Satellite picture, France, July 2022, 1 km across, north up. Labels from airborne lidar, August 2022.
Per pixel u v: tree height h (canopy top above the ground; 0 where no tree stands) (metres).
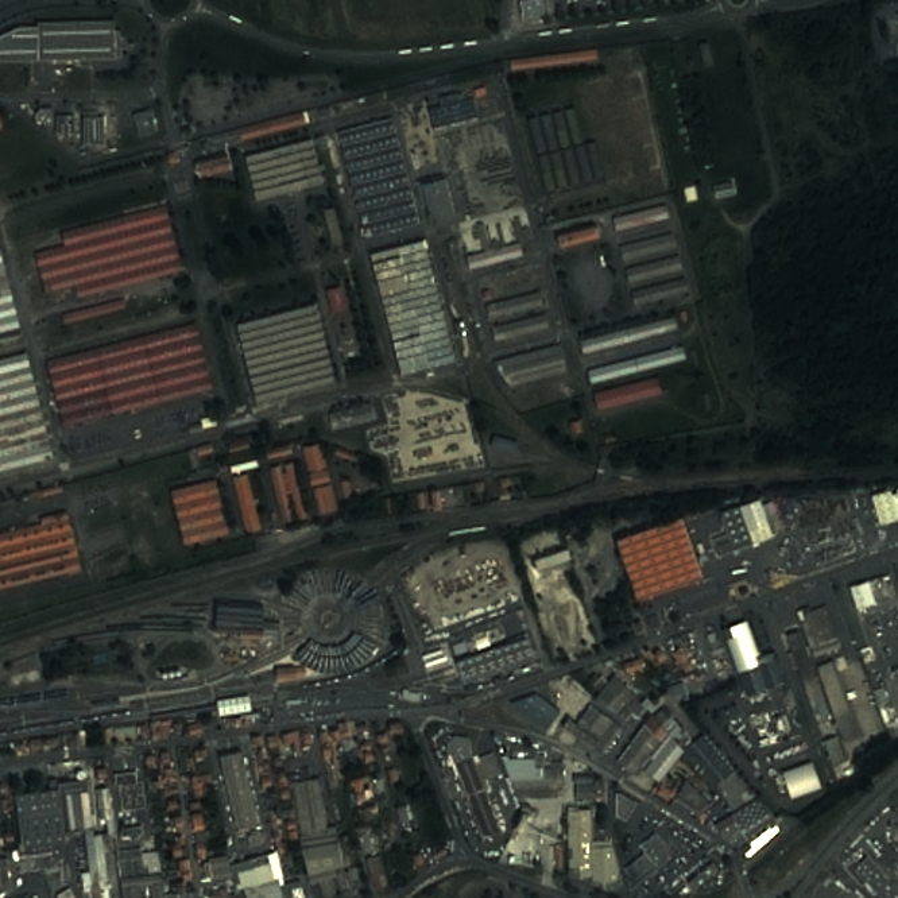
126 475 0
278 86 0
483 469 0
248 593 0
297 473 12
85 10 0
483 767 0
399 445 0
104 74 8
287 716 0
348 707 0
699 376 10
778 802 0
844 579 0
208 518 0
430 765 0
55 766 0
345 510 10
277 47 0
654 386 0
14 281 0
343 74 7
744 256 0
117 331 0
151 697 0
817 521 0
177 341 0
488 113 0
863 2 9
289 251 20
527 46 0
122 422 0
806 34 10
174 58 0
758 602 0
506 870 0
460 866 0
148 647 7
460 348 0
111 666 0
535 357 0
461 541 0
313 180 0
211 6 0
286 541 0
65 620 0
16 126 0
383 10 0
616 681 0
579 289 0
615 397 0
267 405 0
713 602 0
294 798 0
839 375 7
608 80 0
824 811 6
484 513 0
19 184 0
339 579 0
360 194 0
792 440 6
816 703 0
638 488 0
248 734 0
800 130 0
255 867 0
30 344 0
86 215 0
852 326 19
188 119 6
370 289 0
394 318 0
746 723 0
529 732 0
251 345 0
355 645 0
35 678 0
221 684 0
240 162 9
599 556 0
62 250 0
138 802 0
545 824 0
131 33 0
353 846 6
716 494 11
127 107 0
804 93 0
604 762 0
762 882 0
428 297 0
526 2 0
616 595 9
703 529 0
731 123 0
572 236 0
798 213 8
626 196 0
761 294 16
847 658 0
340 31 0
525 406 0
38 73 0
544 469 0
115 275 0
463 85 0
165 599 0
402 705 0
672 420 0
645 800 0
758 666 0
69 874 0
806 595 0
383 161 0
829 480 8
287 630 0
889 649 0
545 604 0
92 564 0
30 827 0
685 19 0
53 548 0
